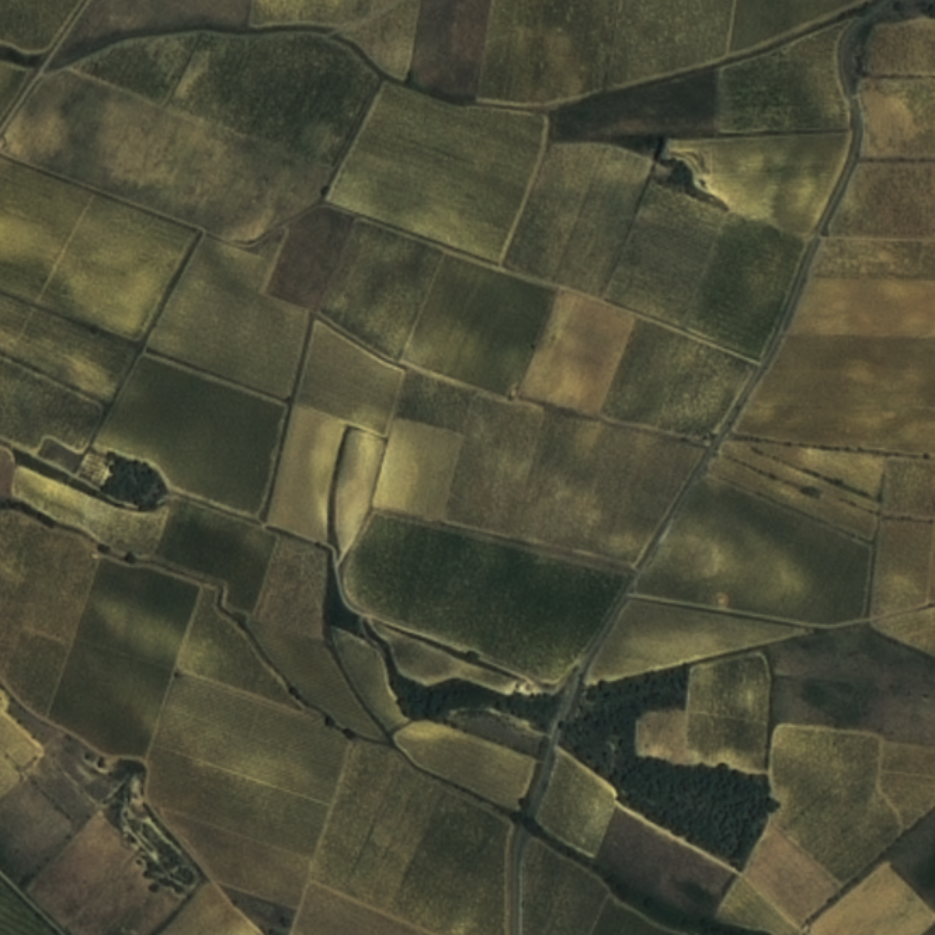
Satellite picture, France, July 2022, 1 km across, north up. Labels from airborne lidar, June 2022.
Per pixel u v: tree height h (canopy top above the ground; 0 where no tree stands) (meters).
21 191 0
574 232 0
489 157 0
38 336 0
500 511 0
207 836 0
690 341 0
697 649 0
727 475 0
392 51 0
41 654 0
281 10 0
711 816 9
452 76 0
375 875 0
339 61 0
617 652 0
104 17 0
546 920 0
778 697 0
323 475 0
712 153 0
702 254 0
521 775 0
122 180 0
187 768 0
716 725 0
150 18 0
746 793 12
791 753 0
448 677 0
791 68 0
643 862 0
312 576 0
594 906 0
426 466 0
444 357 0
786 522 0
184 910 0
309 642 0
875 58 0
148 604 0
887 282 0
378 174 0
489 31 0
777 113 0
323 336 0
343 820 0
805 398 0
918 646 0
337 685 0
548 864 0
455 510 0
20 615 0
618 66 0
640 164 0
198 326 0
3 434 0
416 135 0
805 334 0
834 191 0
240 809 0
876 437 0
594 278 0
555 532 0
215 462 0
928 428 0
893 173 0
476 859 0
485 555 0
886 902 0
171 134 0
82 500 0
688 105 0
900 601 0
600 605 0
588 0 0
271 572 0
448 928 0
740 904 0
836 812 0
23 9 0
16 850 0
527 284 0
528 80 0
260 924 0
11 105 0
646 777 9
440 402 0
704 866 0
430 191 0
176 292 0
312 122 0
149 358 0
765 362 0
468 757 0
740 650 0
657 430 0
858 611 0
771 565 0
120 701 0
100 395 0
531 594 0
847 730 0
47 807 0
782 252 0
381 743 0
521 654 0
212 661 0
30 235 0
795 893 0
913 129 0
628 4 0
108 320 0
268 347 0
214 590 0
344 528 0
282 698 0
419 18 0
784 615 0
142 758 0
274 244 0
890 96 0
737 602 0
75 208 0
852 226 0
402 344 0
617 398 0
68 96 0
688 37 0
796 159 0
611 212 0
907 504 0
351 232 0
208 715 0
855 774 0
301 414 0
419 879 0
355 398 0
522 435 0
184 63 0
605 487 0
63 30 0
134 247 0
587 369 0
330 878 0
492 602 0
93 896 0
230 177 0
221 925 0
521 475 0
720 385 0
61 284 0
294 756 0
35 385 0
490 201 0
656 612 0
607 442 0
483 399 0
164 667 0
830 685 0
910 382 0
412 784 0
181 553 0
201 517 0
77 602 0
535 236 0
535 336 0
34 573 0
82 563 0
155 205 0
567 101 0
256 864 0
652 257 0
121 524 0
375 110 0
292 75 0
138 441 0
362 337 0
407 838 0
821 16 0
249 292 0
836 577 0
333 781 0
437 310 0
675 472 0
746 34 0
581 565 0
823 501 0
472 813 0
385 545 0
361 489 0
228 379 0
